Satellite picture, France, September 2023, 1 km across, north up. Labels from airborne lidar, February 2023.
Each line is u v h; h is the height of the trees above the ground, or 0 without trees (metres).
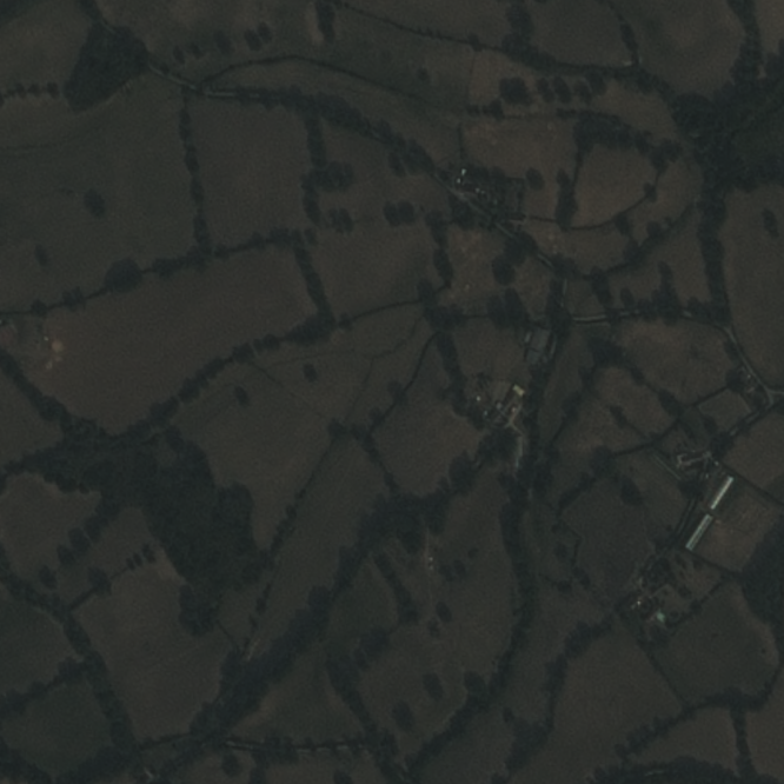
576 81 0
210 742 11
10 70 0
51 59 0
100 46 17
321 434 0
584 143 20
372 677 0
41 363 0
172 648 0
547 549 0
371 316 0
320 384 0
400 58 0
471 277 0
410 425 0
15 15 0
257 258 0
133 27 0
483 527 0
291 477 0
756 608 19
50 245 0
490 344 0
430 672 0
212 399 0
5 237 0
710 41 0
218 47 17
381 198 0
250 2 0
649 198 13
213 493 11
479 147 0
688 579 0
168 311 0
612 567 0
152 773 9
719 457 8
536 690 0
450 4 0
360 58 0
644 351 0
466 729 9
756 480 0
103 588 15
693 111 10
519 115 0
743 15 16
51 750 0
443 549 0
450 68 0
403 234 0
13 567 0
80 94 12
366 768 0
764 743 0
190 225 0
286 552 0
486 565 0
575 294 0
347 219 18
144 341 0
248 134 0
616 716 0
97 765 12
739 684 0
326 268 0
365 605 0
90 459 17
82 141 0
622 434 0
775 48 0
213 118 0
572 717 0
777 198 0
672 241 0
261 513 0
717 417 0
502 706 0
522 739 20
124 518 0
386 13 0
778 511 0
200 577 13
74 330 0
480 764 0
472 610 0
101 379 0
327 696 0
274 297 0
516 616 7
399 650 0
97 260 0
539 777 0
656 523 0
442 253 8
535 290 0
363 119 12
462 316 14
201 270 11
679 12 0
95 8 21
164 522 15
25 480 0
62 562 17
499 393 0
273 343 13
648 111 0
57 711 0
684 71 0
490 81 0
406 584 0
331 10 14
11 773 19
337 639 0
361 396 0
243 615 0
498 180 18
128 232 0
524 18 18
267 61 6
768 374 0
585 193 0
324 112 17
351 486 0
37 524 0
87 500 0
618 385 0
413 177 0
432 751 13
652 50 0
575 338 0
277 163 0
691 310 13
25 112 0
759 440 0
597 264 0
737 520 0
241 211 0
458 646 0
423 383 0
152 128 0
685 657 0
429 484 0
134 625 0
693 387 0
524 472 20
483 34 0
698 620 0
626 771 11
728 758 0
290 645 15
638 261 18
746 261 0
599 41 0
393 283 0
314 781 0
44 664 0
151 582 0
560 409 0
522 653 0
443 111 0
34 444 0
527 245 16
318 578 0
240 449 0
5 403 0
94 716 0
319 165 14
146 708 0
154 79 0
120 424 0
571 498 6
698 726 0
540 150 0
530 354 0
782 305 0
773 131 0
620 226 16
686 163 0
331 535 0
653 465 0
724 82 0
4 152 0
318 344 0
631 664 0
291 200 0
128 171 0
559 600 0
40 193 0
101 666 20
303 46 0
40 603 12
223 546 13
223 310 0
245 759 0
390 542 0
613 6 7
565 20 0
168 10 0
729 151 21
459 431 0
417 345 0
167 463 0
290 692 0
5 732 0
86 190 0
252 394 0
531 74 0
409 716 18
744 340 0
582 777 0
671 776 16
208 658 0
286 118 0
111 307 0
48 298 0
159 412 18
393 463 0
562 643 0
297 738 0
